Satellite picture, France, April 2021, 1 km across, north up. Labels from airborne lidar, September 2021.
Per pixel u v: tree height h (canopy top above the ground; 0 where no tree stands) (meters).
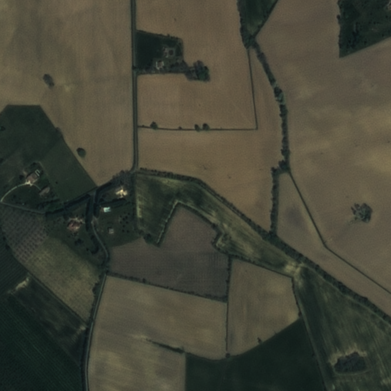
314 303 0
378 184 0
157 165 0
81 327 0
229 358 12
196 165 0
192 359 0
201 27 0
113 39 0
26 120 0
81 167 0
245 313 0
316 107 0
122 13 0
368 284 0
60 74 0
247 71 0
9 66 0
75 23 0
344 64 0
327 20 0
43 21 0
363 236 0
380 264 0
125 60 0
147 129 0
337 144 0
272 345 0
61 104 0
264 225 0
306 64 0
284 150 17
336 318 0
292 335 0
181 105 0
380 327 0
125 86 0
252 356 0
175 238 0
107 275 16
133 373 0
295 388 0
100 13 0
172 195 0
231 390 0
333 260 0
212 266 0
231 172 0
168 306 0
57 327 0
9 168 0
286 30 0
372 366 0
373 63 0
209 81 15
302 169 0
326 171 0
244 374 0
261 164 0
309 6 0
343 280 0
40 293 0
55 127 0
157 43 0
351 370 19
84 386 12
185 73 11
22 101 0
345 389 0
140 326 0
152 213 0
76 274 0
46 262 0
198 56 0
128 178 19
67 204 7
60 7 0
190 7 0
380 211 0
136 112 0
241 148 0
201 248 0
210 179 0
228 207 9
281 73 0
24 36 0
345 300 0
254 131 0
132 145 0
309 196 0
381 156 0
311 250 0
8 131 0
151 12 0
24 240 7
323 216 0
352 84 0
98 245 18
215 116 0
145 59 0
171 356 0
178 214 0
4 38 0
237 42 0
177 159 0
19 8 0
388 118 0
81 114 0
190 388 0
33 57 0
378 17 0
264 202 0
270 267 0
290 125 0
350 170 0
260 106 0
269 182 0
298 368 0
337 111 0
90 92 0
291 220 0
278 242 22
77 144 0
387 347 0
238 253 0
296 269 0
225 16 0
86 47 0
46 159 0
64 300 0
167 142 0
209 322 0
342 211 0
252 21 0
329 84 0
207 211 0
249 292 0
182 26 0
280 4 0
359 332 0
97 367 0
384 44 0
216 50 0
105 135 0
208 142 0
